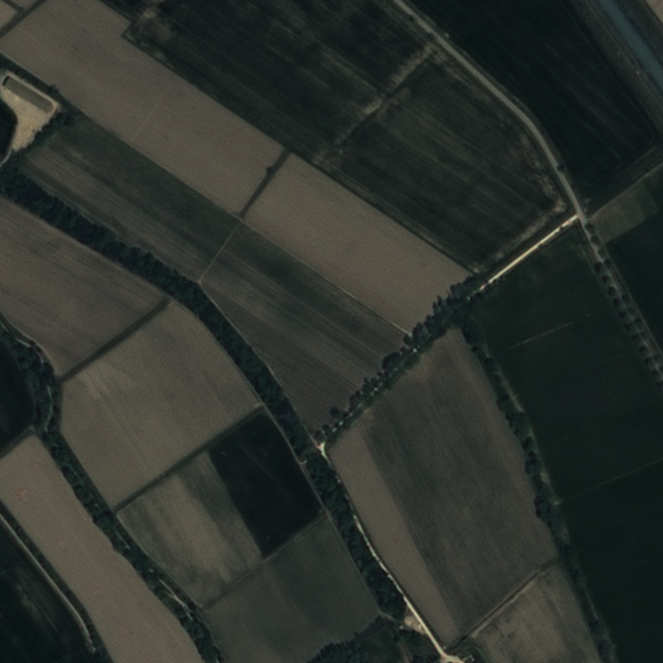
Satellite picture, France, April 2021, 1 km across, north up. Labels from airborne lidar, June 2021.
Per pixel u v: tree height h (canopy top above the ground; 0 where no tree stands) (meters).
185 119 0
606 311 0
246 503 0
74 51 0
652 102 0
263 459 0
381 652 0
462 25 0
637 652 0
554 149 0
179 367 0
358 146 0
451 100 0
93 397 0
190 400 0
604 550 0
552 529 13
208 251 0
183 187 0
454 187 0
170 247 0
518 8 0
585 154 0
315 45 0
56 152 0
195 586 0
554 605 0
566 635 0
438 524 0
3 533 0
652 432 0
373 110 0
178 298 11
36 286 0
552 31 0
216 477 0
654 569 0
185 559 0
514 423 14
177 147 0
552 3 0
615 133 0
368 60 0
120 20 0
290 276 0
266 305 0
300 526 0
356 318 0
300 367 0
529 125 0
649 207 0
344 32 0
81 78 0
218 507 0
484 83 0
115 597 0
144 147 0
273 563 0
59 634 0
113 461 0
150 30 0
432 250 0
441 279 0
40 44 0
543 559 0
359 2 0
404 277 0
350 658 20
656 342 0
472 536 0
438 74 0
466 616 0
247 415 0
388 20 0
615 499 0
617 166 0
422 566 0
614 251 0
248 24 0
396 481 0
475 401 0
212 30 0
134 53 0
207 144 0
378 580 10
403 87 0
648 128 0
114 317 0
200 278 0
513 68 0
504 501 0
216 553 0
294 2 0
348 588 0
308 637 0
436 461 0
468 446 0
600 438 0
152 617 0
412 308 0
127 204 0
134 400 0
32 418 0
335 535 0
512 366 0
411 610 0
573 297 0
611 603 0
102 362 0
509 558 0
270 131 0
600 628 15
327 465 13
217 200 0
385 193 0
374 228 0
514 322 0
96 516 12
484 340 15
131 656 0
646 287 0
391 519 0
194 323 0
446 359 0
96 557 0
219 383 0
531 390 0
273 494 0
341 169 0
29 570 0
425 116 0
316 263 0
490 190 0
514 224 0
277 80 0
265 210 0
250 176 0
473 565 0
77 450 0
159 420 0
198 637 15
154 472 0
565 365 0
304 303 0
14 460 0
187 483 0
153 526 0
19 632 0
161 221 0
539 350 0
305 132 0
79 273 0
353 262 0
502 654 0
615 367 0
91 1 0
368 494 0
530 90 0
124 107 0
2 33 0
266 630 0
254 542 0
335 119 0
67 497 0
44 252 0
